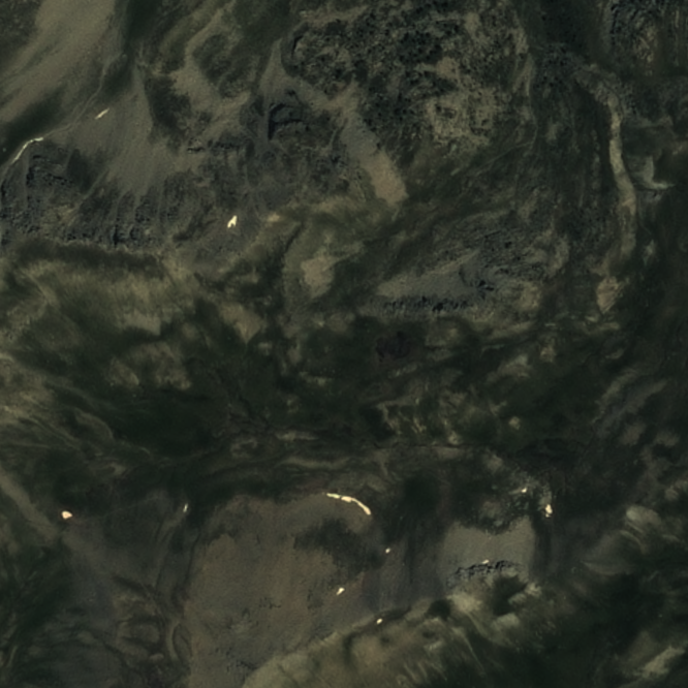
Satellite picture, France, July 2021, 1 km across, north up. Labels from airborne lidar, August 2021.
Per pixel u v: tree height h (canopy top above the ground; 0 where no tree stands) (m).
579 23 0
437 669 0
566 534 0
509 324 0
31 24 0
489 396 0
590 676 0
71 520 0
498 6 0
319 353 0
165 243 0
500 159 0
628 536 0
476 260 0
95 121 0
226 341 0
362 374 0
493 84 0
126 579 0
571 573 0
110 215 0
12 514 0
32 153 0
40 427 0
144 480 0
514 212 0
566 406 0
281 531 0
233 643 0
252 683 0
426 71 6
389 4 0
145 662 0
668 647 0
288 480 0
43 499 0
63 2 0
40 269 0
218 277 0
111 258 0
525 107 0
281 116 0
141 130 0
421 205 0
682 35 0
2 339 0
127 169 0
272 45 0
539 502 0
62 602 0
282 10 0
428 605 0
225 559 0
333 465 0
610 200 0
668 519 0
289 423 0
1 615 0
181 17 0
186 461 0
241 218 0
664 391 0
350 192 0
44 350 0
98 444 0
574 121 0
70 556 0
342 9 0
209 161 0
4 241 0
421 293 0
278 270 0
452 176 0
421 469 0
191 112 0
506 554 0
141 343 0
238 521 0
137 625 0
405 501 0
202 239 0
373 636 0
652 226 0
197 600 0
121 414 0
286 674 0
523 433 0
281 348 0
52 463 0
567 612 0
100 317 0
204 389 0
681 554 0
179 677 0
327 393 0
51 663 0
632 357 0
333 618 0
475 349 0
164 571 0
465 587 0
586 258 0
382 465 0
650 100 0
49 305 0
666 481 0
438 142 0
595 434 0
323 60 6
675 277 0
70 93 0
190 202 0
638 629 0
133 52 0
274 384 0
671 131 0
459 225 0
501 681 0
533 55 0
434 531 0
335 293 0
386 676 0
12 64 0
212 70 0
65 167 0
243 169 0
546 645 0
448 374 0
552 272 0
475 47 0
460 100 0
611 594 0
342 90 0
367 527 0
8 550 0
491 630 0
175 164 0
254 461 0
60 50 0
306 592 0
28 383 0
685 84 0
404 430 0
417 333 0
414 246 0
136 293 0
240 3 0
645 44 0
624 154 0
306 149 0
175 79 0
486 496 0
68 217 0
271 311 0
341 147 0
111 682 0
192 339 0
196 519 0
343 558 0
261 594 0
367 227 0
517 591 0
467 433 0
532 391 0
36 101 0
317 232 0
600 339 0
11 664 0
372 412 0
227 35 0
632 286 0
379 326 0
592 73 0
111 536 0
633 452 0
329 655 0
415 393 0
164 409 0
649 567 0
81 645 0
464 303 0
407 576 0
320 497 0
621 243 0
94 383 0
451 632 0
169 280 0
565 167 0
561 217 0
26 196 0
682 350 0
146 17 0
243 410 0
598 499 0
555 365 0
